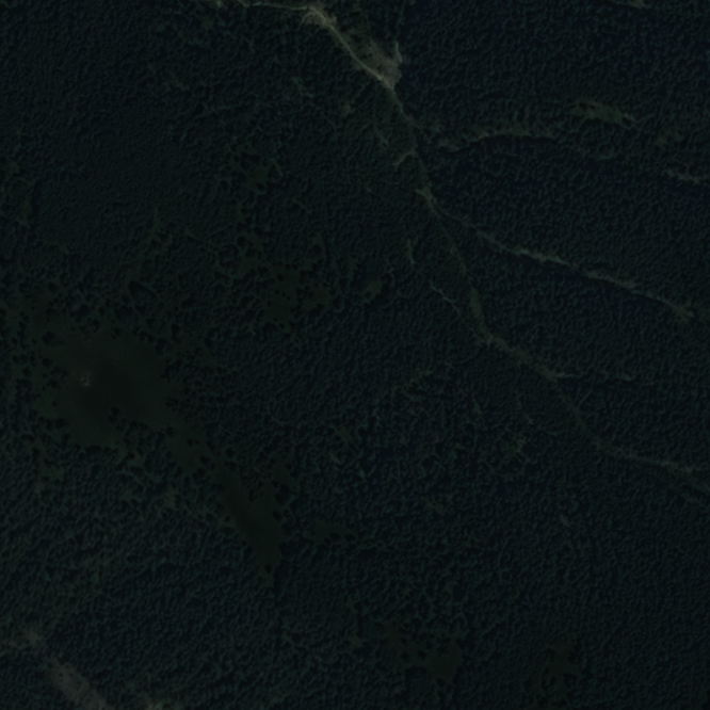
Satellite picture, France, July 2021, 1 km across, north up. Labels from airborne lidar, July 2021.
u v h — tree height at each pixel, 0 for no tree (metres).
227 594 18
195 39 26
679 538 29
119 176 28
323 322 22
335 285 19
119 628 30
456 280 16
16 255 23
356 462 24
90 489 20
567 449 14
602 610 22
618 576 32
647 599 26
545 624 21
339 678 24
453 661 0
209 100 26
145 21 28
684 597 20
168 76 32
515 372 15
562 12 22
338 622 22
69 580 21
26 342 17
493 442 30
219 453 18
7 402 23
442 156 10
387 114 8
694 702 18
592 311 25
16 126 19
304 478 23
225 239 29
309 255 20
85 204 30
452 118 22
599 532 19
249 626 29
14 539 26
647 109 22
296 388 25
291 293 0
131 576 20
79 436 0
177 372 18
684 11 22
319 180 22
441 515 26
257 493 12
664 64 31
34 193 9
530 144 23
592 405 21
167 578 26
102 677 27
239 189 26
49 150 25
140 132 26
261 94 19
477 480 28
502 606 21
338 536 17
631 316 27
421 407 17
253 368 23
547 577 25
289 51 13
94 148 27
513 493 32
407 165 16
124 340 0
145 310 28
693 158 11
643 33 28
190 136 24
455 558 19
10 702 12
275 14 10
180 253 17
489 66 25
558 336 20
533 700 15
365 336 29
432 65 20
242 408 16
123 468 16
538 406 13
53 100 33
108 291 21
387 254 22
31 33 30
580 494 25
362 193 21
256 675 18
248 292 14
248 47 22
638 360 23
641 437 22
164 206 27
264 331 13
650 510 29
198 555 25
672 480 10
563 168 24
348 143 23
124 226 28
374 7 14
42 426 17
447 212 10
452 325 21
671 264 26
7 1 21
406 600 8
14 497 15
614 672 22
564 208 27
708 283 31
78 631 25
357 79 14
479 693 25
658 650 11
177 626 24
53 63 30
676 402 18
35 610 11
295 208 20
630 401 27
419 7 8
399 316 30
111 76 27
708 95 26
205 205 26
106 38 27
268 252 11
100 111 27
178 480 16
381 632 22
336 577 22
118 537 14
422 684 26
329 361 27
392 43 9
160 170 27
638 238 27
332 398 28
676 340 24
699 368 21
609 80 19
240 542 19
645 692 22
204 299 16
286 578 28
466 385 29
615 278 18
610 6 18
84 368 0
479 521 17
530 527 26
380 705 25
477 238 14
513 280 25
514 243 29
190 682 18
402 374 30
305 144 23
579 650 19
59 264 15
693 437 21
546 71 21
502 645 28
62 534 23
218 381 15
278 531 0
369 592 24
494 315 30
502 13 32
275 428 21
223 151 26
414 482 25
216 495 19
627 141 28
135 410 0
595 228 26
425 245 16
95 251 32
